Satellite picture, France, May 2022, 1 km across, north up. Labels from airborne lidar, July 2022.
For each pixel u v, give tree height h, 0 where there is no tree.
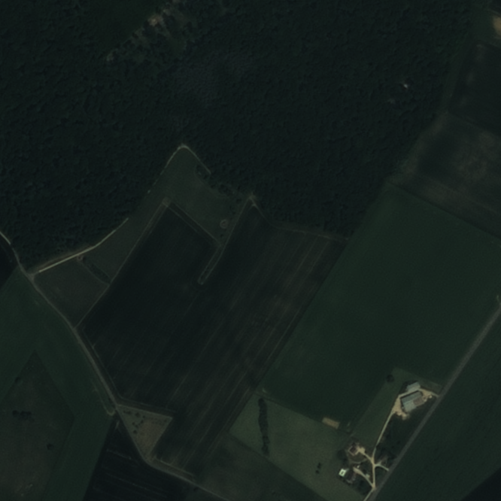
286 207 24
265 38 27
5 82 26
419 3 29
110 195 25
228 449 0
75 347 0
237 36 20
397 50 22
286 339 0
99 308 0
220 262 0
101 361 0
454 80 0
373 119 30
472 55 0
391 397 0
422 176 0
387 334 0
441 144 0
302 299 0
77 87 28
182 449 0
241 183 11
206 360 0
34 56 27
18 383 12
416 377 0
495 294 0
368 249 0
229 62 24
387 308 0
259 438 0
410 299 0
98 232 19
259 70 25
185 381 0
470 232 0
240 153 22
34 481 0
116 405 0
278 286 0
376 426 0
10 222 20
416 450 0
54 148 27
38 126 28
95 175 24
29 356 0
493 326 0
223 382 0
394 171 17
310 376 0
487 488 0
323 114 24
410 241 0
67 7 21
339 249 0
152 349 0
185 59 21
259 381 0
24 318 0
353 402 0
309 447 0
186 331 0
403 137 23
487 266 0
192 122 22
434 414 0
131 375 0
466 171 0
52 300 0
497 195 0
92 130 27
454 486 0
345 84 25
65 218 11
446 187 0
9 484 0
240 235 0
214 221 0
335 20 31
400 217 0
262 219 0
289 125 26
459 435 0
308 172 26
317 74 29
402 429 0
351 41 26
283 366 0
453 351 0
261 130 24
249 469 0
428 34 25
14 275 0
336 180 29
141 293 0
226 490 0
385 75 26
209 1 23
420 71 27
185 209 0
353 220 23
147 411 0
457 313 0
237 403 0
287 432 0
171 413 0
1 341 0
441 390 0
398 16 29
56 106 30
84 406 0
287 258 0
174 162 0
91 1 23
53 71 26
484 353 0
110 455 0
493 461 0
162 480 0
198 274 0
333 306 0
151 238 0
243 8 23
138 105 25
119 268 0
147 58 20
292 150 23
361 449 0
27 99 27
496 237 0
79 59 21
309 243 0
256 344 0
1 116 20
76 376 0
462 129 0
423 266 0
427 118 23
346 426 0
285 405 0
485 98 0
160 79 20
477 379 0
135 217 0
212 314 0
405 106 24
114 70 24
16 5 27
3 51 28
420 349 0
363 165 27
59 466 0
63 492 0
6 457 0
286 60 23
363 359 0
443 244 0
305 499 0
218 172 17
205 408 0
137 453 0
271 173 23
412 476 0
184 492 0
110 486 0
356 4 28
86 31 8
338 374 0
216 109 25
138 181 24
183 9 25
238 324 0
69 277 0
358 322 0
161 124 24
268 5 27
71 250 15
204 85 23
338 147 27
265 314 0
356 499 0
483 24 0
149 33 25
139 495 0
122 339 0
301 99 25
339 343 0
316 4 25
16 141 26
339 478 0
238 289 0
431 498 0
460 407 0
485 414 0
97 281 0
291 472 0
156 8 9
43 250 23
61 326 0
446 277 0
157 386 0
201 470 0
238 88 22
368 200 23
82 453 0
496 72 0
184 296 0
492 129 0
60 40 28
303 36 19
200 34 19
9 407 0
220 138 25
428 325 0
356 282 0
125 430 0
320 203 23
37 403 0
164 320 0
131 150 21
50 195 29
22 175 28
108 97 27
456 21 24
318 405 0
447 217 0
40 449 0
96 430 0
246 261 0
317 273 0
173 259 0
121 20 10
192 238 0
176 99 22
